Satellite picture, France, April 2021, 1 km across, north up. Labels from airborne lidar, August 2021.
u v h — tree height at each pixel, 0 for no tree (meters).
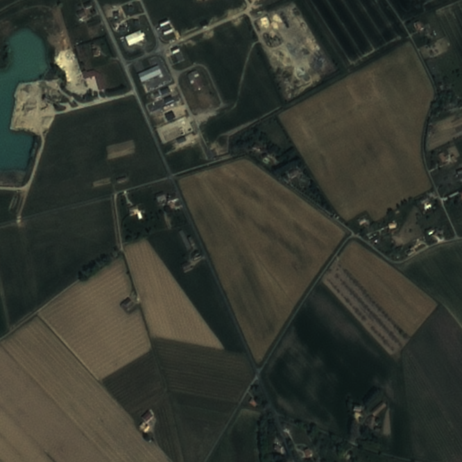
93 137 0
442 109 13
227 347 0
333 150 0
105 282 0
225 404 0
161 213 9
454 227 0
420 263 0
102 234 0
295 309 0
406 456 0
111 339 0
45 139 0
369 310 6
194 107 0
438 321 0
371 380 0
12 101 0
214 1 0
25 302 0
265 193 0
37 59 0
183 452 0
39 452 0
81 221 0
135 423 0
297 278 0
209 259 0
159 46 0
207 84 0
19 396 0
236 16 0
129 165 0
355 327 0
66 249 0
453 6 0
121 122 0
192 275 0
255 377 0
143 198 0
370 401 20
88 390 0
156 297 0
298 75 0
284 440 16
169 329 0
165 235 0
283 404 0
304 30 0
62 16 0
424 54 0
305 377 0
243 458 0
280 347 0
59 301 0
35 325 0
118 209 0
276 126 0
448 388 0
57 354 0
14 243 0
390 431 0
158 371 0
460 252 0
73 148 0
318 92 0
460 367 0
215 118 0
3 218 0
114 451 0
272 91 0
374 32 0
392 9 0
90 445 0
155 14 0
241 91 0
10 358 0
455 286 0
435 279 0
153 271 0
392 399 0
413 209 0
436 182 0
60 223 0
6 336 0
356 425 20
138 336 0
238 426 0
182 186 0
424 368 0
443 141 0
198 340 0
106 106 0
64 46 0
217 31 0
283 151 9
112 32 0
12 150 0
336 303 0
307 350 0
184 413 0
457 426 0
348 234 0
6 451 0
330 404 0
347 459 10
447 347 0
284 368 0
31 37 0
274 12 0
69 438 0
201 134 0
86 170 0
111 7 0
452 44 0
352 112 0
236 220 0
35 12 0
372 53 0
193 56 0
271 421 6
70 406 0
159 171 0
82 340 0
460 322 0
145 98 0
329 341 0
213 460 0
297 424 13
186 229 0
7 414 0
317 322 0
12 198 0
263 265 0
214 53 0
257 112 0
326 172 0
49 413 0
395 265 0
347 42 0
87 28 0
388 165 0
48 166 0
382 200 0
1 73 0
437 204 6
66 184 0
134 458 0
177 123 0
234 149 16
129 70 0
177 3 0
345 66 0
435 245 0
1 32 0
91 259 0
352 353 0
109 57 7
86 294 0
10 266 0
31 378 0
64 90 15
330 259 0
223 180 0
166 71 0
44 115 0
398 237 0
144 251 0
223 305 0
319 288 0
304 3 0
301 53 0
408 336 6
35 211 0
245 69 0
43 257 0
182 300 0
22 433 0
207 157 0
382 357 0
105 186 0
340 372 0
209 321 0
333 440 10
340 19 0
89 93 6
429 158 6
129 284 0
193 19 0
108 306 0
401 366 0
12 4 0
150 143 0
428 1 0
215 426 0
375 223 6
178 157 0
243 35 0
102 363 0
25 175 0
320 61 0
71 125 0
